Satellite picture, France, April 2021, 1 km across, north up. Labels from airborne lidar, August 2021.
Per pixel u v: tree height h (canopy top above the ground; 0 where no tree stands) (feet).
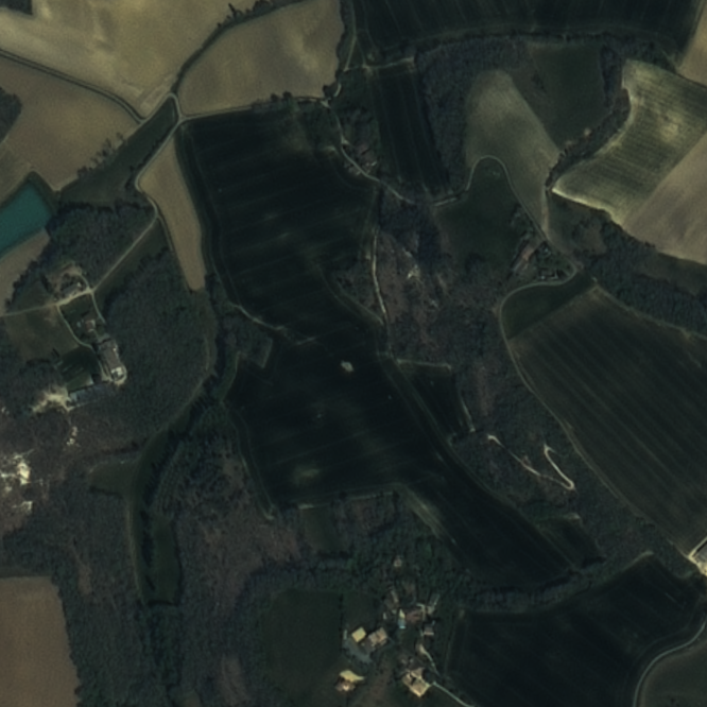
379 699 0
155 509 97
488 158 0
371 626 0
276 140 0
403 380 0
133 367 58
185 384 73
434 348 38
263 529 0
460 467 0
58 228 60
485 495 0
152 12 0
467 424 0
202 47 0
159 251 0
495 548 0
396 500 25
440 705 0
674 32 0
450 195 0
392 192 62
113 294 0
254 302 0
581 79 0
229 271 0
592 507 46
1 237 0
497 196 0
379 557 33
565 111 0
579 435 0
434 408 0
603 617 0
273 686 38
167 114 0
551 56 0
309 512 0
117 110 0
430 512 0
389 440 0
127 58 0
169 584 0
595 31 0
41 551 59
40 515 39
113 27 0
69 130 0
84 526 34
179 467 19
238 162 0
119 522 71
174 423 62
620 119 32
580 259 47
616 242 55
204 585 38
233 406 0
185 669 74
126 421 59
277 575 54
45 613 0
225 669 0
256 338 76
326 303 0
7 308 28
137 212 66
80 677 31
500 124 0
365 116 52
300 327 0
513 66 36
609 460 0
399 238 38
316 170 0
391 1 0
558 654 0
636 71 0
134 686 31
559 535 0
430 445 0
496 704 0
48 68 0
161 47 0
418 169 0
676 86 0
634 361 0
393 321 26
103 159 56
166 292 78
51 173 0
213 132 0
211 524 42
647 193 0
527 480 37
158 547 77
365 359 0
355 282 19
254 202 0
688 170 0
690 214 0
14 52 0
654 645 0
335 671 0
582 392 0
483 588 29
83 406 32
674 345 0
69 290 0
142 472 0
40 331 0
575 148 33
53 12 0
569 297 0
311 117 26
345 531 38
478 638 0
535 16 0
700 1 0
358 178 0
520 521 0
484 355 30
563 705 0
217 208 0
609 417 0
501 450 28
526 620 0
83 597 47
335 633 0
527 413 40
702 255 0
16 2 59
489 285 51
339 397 0
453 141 48
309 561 58
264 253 0
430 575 35
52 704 0
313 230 0
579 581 33
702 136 0
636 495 0
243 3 0
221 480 34
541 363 0
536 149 0
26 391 60
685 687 0
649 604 0
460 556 0
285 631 0
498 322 30
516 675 0
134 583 24
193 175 0
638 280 56
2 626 0
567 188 0
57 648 0
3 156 0
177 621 67
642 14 0
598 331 0
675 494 0
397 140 0
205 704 59
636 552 45
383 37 0
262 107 47
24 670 0
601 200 0
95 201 0
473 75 45
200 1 0
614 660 0
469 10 0
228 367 96
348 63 0
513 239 0
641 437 0
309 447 0
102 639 71
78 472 48
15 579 0
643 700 0
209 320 0
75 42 0
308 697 0
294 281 0
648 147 0
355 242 0
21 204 0
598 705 0
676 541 0
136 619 48
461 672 0
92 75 0
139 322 83
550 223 0
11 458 0
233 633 22
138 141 0
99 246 60
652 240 0
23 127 0
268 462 0
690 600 0
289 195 0
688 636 0
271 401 0
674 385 0
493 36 42
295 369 0
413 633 0
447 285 31
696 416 0
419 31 0
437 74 69
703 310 58
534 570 0
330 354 0
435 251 43
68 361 0
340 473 0
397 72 0
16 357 73
